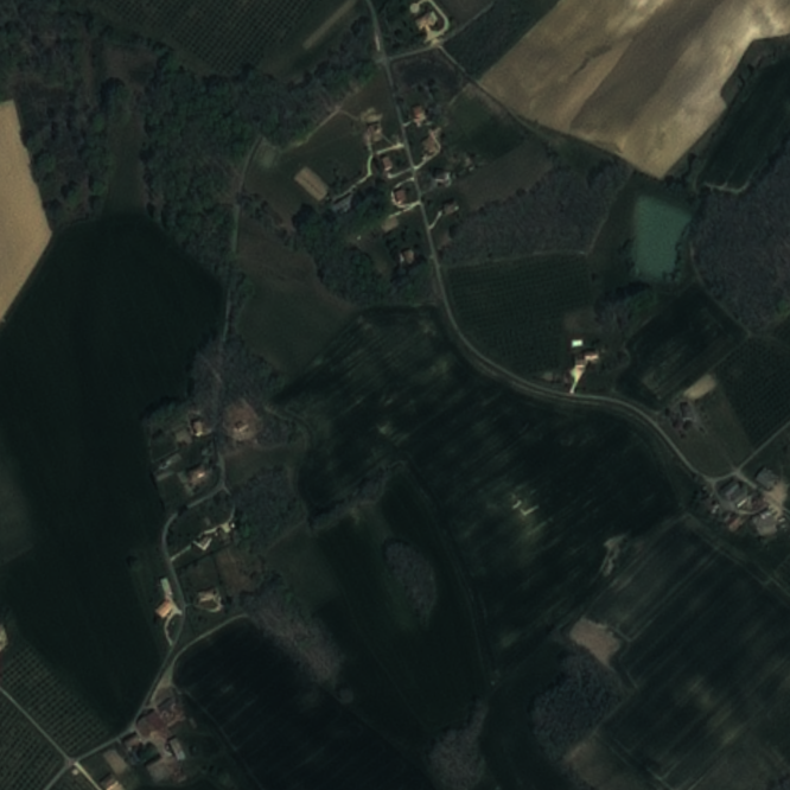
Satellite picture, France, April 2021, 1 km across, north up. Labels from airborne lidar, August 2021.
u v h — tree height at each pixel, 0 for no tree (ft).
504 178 0
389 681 0
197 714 0
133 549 0
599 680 56
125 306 0
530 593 0
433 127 61
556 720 52
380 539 0
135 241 0
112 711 0
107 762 0
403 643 0
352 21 0
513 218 56
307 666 54
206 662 0
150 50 28
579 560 0
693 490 0
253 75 60
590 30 0
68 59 72
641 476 0
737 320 46
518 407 0
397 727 0
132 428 0
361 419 0
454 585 0
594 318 0
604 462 0
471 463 0
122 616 0
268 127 70
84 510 0
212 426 51
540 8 0
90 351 0
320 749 0
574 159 0
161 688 0
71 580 0
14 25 66
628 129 0
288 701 0
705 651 0
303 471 0
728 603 0
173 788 0
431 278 57
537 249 50
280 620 73
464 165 0
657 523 0
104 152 63
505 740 0
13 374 0
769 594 0
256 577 35
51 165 51
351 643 0
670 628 0
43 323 0
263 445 50
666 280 39
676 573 0
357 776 0
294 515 58
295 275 0
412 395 0
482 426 0
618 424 0
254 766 0
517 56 0
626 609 0
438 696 0
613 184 60
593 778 0
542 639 0
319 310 0
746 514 0
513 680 0
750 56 0
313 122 53
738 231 71
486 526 0
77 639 0
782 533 0
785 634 0
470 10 0
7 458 0
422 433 0
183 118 76
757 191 59
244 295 42
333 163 0
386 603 0
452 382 0
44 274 0
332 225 69
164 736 0
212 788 0
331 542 0
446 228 0
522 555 0
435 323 0
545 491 0
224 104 94
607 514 0
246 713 0
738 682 0
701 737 0
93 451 0
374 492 62
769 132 0
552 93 0
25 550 0
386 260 0
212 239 57
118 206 0
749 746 0
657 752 0
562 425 0
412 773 0
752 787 0
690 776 0
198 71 0
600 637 0
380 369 0
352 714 0
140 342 0
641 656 0
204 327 0
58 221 75
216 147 77
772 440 0
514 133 0
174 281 0
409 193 29
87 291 0
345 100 56
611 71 0
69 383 0
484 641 0
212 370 57
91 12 0
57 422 0
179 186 84
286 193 0
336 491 0
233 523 0
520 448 0
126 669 0
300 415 0
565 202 47
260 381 66
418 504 0
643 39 0
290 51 0
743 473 0
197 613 21
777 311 56
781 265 48
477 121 0
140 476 0
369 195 30
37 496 0
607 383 0
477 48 22
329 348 0
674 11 0
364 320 0
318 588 0
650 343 0
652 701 0
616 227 0
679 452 0
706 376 0
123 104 83
